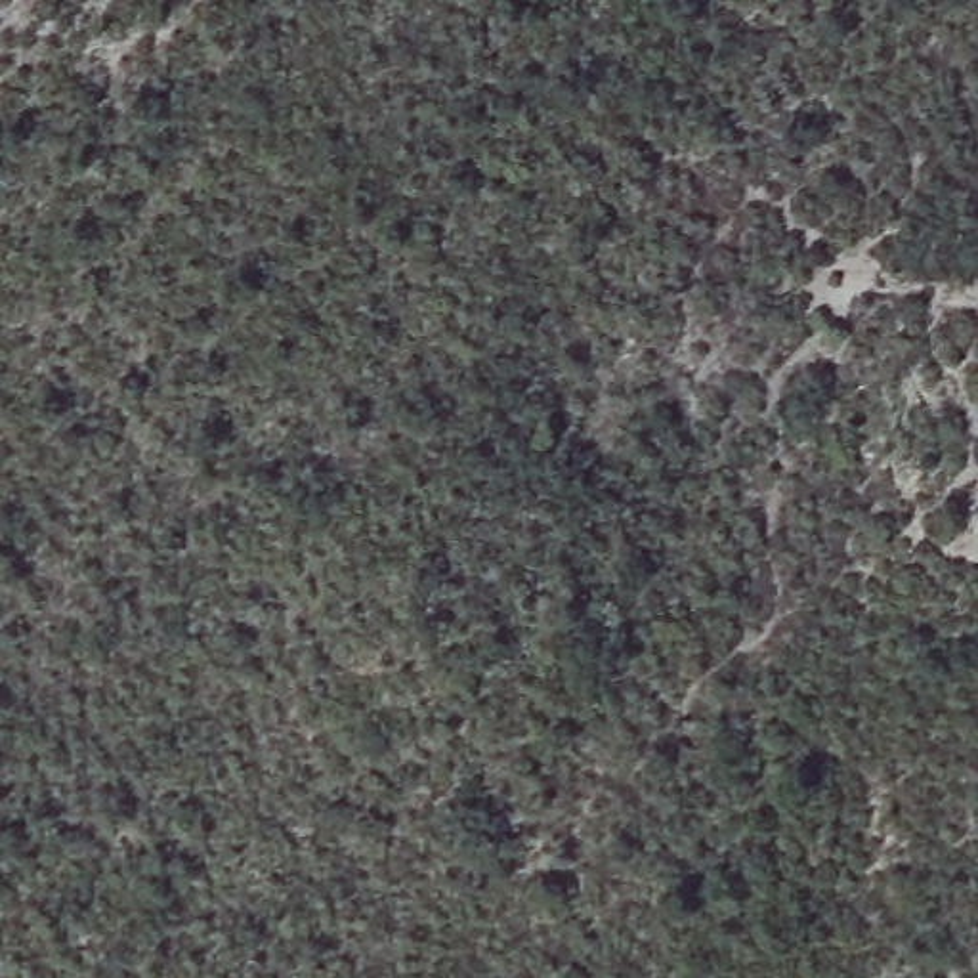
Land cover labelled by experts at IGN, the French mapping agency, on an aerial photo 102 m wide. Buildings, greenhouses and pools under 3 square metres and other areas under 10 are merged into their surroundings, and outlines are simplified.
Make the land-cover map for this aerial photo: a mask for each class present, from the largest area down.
<instances>
[{"label":"brushwood","instance_id":"1","mask_svg":"<svg viewBox=\"0 0 978 978\"><path fill-rule=\"evenodd\" d=\"M130 27H141L145 34L134 50L145 73L138 103L115 115L107 96L111 88L96 84L88 73H76V53L61 61L19 65V76L0 88V978H978V309H947L944 321H932L928 290H863L860 298H852L848 313H837L833 306L810 298V279L821 264L856 248L860 256L879 260L902 279H936L955 287L978 283V0H115L103 11L107 38H122Z\"/></svg>","mask_w":978,"mask_h":978},{"label":"bare soil","instance_id":"2","mask_svg":"<svg viewBox=\"0 0 978 978\"><path fill-rule=\"evenodd\" d=\"M115 0H0V88L19 76V65L61 61L76 53V73H88L96 84L111 88L107 96L115 115L138 103L145 73L134 50L145 34L141 27H130L122 38H107L103 11Z\"/></svg>","mask_w":978,"mask_h":978},{"label":"pervious surface","instance_id":"3","mask_svg":"<svg viewBox=\"0 0 978 978\"><path fill-rule=\"evenodd\" d=\"M863 290H928L932 321H944L947 309H978V283L955 287L936 279H902L879 260L860 256L856 248L821 264L810 279V298L833 306L837 313H848L852 298H860Z\"/></svg>","mask_w":978,"mask_h":978}]
</instances>
